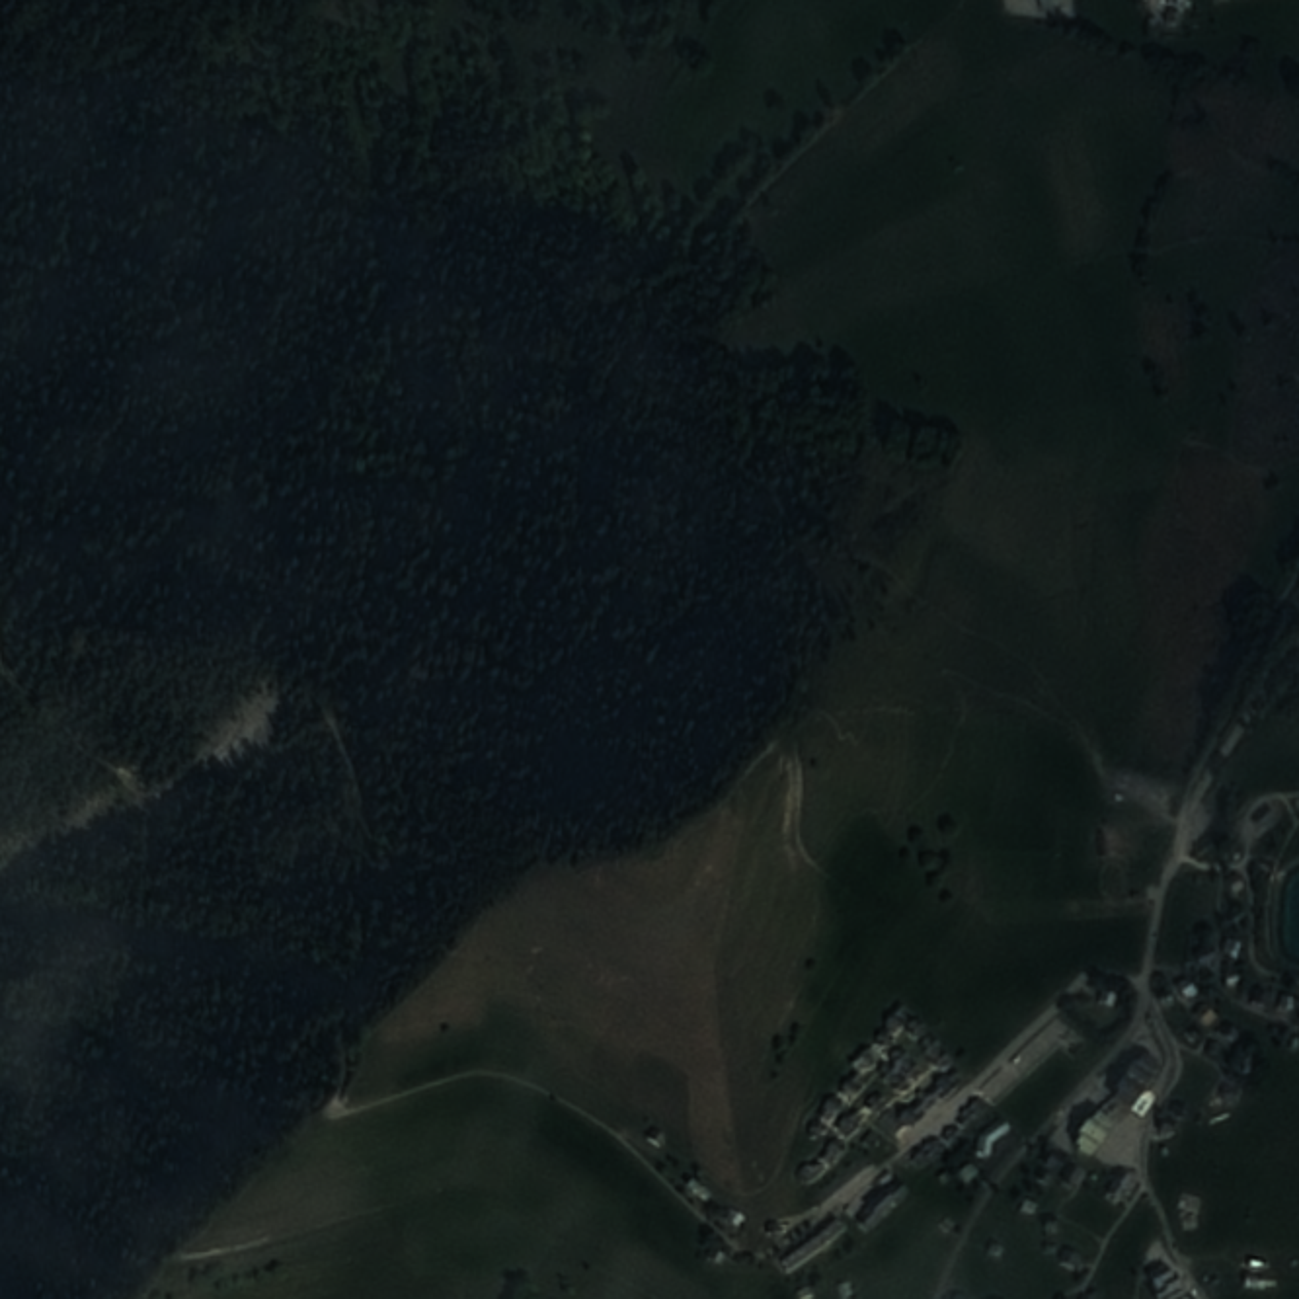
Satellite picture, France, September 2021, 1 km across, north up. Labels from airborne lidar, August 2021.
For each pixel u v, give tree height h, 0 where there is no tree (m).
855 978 0
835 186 0
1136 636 0
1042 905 0
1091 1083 0
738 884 0
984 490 0
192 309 28
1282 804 0
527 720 22
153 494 17
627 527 24
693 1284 0
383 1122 0
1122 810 0
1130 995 10
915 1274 0
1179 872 0
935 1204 0
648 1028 0
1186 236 0
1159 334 0
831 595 0
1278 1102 0
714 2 12
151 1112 27
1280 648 16
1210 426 0
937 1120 0
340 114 12
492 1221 0
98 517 25
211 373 18
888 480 0
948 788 0
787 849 0
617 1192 0
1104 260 0
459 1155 0
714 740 18
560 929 0
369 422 16
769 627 20
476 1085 0
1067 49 0
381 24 13
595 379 23
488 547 21
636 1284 0
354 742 8
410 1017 0
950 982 0
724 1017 0
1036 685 0
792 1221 0
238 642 24
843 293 0
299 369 26
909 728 0
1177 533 0
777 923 0
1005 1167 0
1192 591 0
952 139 0
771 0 0
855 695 0
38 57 22
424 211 21
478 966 0
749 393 14
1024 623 0
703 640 13
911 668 0
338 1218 0
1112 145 0
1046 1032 0
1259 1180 0
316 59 18
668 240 13
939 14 0
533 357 27
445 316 24
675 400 18
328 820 23
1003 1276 0
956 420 0
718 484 14
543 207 14
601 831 20
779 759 0
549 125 15
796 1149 0
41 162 15
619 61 0
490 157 21
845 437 11
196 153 25
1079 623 0
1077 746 0
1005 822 0
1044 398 0
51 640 10
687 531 23
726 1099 0
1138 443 0
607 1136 0
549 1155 0
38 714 19
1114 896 0
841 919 0
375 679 9
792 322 0
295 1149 0
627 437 20
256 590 28
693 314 13
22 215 26
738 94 0
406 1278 0
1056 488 0
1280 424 0
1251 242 0
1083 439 0
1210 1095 0
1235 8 0
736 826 0
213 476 32
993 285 0
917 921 0
